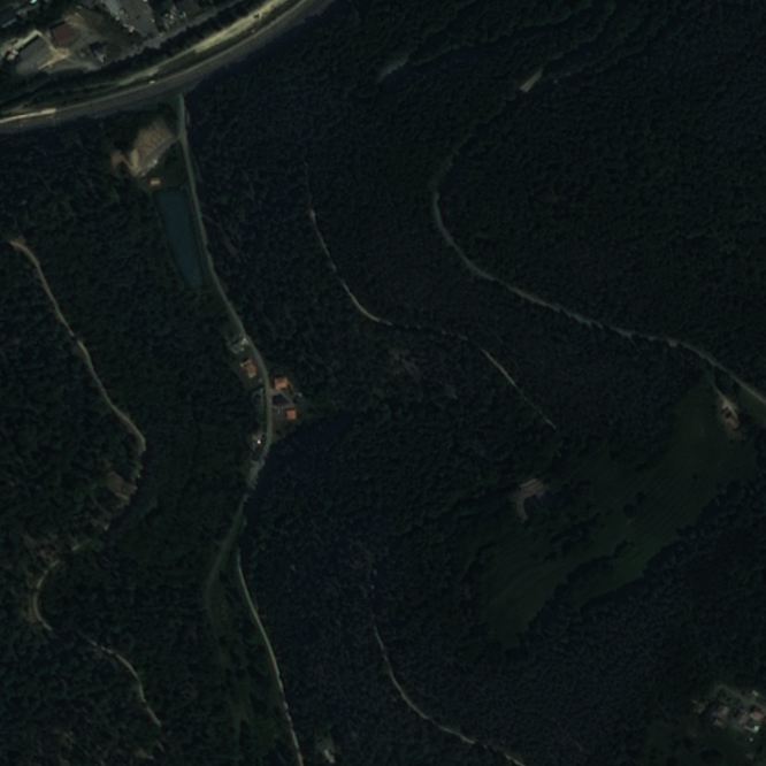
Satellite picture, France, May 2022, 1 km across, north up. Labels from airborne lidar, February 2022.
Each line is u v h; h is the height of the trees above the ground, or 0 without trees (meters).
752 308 20
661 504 0
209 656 18
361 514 23
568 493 8
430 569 25
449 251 21
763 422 0
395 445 26
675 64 26
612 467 0
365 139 17
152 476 15
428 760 19
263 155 18
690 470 0
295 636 12
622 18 24
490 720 25
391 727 27
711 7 16
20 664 37
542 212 26
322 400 33
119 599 7
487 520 25
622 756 28
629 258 21
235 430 20
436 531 27
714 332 21
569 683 29
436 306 21
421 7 26
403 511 27
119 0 0
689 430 0
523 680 31
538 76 0
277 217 30
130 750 28
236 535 0
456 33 24
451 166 0
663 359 21
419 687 32
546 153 28
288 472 22
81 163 25
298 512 17
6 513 31
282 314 30
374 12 23
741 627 12
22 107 0
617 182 31
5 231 14
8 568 34
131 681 25
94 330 21
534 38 19
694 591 14
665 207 27
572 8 27
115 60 0
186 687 13
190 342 15
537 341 25
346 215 21
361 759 28
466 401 13
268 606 11
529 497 0
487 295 23
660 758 6
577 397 20
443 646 31
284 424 0
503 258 22
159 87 0
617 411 26
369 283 20
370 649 20
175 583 14
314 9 0
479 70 22
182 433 20
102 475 30
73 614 11
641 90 23
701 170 27
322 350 31
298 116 27
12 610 37
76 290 19
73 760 32
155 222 16
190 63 0
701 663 21
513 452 26
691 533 13
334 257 18
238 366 0
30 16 13
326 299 24
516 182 23
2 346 32
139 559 16
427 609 23
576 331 26
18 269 27
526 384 24
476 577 18
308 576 11
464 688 30
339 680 30
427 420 28
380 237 24
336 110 26
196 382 13
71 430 30
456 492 22
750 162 28
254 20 0
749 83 24
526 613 0
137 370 21
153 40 0
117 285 18
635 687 29
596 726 30
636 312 18
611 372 22
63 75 0
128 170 10
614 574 12
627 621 31
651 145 30
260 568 20
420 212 22
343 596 20
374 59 22
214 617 0
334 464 28
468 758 20
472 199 23
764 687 18
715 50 22
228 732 16
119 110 0
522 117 21
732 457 0
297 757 0
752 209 23
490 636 17
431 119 24
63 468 31
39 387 27
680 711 17
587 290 22
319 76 25
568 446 21
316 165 20
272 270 30
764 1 24
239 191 30
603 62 20
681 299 20
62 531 28
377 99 22
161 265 12
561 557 7
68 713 32
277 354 19
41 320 30
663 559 13
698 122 25
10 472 35
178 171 0
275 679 0
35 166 19
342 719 17
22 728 26
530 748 27
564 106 21
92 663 37
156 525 18
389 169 22
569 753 30
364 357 35
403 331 25
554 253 25
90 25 0
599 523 6
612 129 30
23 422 37
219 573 0
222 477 25
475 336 19
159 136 0
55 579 6
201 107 26
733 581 14
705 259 23
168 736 27
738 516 24
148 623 17
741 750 0
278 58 22
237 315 0
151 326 17
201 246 0
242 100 21
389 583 32
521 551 0
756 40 23
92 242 18
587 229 22
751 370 21
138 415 22
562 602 15
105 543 29
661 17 26
